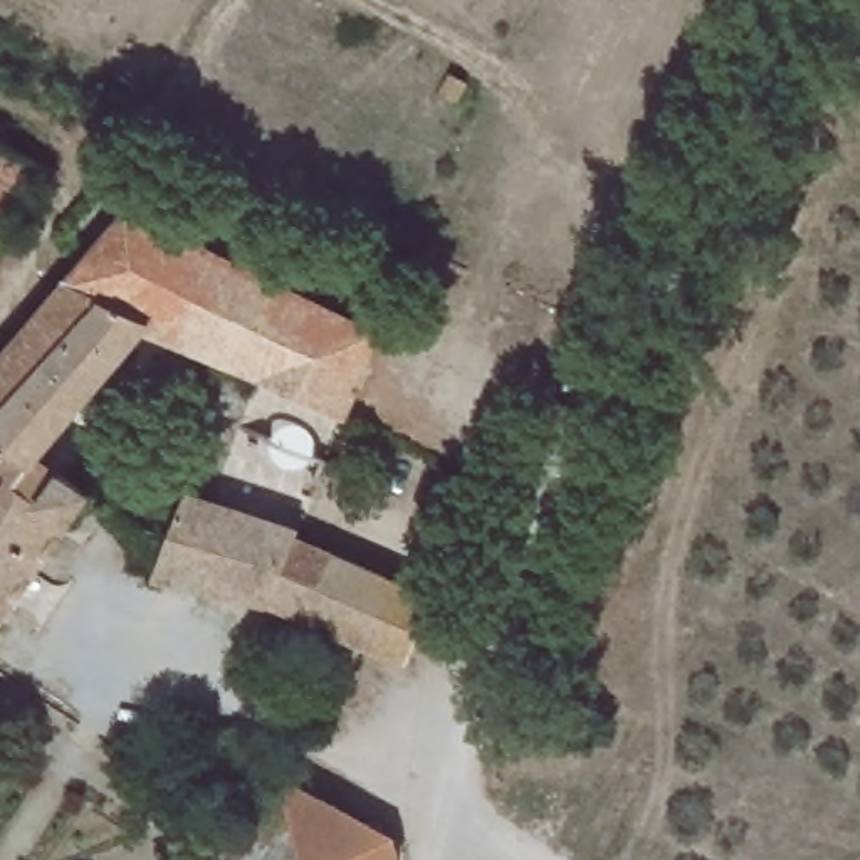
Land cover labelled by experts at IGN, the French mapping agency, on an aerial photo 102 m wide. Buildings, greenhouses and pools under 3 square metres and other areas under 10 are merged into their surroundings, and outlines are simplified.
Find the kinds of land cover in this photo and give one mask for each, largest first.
<instances>
[{"label":"deciduous trees","instance_id":"1","mask_svg":"<svg viewBox=\"0 0 860 860\"><path fill-rule=\"evenodd\" d=\"M645 111L632 124L625 161L611 165L598 155L585 158V168L591 175V212L585 215V225L574 239V265L558 299L554 336L548 343L514 346L497 359L490 380L484 383L474 403L470 423L460 430V437L447 440L443 450H433L406 433H396L390 423L376 417L373 406L356 403L346 423L336 430V437L329 443H319L312 454L326 464L329 497L353 521H366L386 507L390 487L406 477L400 454L423 460L417 511L406 527V548L396 554L400 571L393 574V581L400 585V595L410 605V638L430 658L447 665V675L454 682V709L457 719L467 726V742L477 749L480 766L517 763L531 756H585L615 739L618 705L598 675V665L608 652V642L598 635V618L605 611L608 578L618 574L625 548L642 541L645 524L658 504L655 497L662 480L675 474L682 454V420L689 413L692 396H716L722 406L732 403L729 390L719 383L709 363V353L716 346L739 343L746 323L753 319L749 312L759 306V299H773L786 289V265L800 252L796 235L810 228V208L803 205L806 188L816 175H823L833 165V155L840 151L836 138L860 121V0H702V10L682 27L669 60L662 67H648L642 77ZM380 24L376 17L346 10L336 27V40L343 47L376 40ZM101 64L91 54L71 50L60 40H44L27 24L0 17V111L13 114L34 138H40L60 155V175L54 178L40 165L0 148V158H7L20 171L13 188L0 198V262L24 259L37 245L44 218L54 222L57 245V262L0 323V353L17 339V333L34 319V312L81 265V259L111 225H131L148 232V239L165 255H181L191 249L212 252L225 259L232 269L252 272L265 296H299L349 319L353 329L363 339H370L376 353L396 356L430 349L440 329L447 326V289H440L437 269L430 265L427 272H417L406 262L390 259L383 232L363 215V208H356V202L349 208L326 212L319 205L286 198H255L242 171L232 168L228 151L212 144L195 124H188L181 108L131 101L111 77L97 71ZM487 94L480 81L470 74L464 84L460 101V114L474 118ZM836 239H850L860 228V212L850 205H836L830 212ZM850 279L836 269H820V299L826 306H843ZM847 346L843 336H820L813 339V366L823 373L840 370ZM239 393L249 400L255 393L252 383L242 376L218 373L181 353L161 349L155 343H138L128 353V359L108 376V383L94 393V400L84 410V423H71L44 454V470L84 497V507L71 521V531H81L84 521L97 517V524L118 541L124 554V571L141 581L151 578L158 564L161 544L178 517L181 501L198 497V487L205 480L222 474V460L228 454L225 430L232 427L222 396ZM800 383L789 366H769L759 380V400L769 413L776 406H789ZM806 430H826L833 423V406L826 396H820L806 403ZM753 470L759 480H773L776 474H783L789 460L783 443L769 437L753 440L749 447ZM803 487L810 494H823L830 487V464L820 460L803 464ZM779 524V504L773 497H759L746 504V534L753 541L773 538ZM823 551V527L796 531L789 544L793 558L810 561ZM685 571L699 578H726L729 544L716 534H695L689 544ZM820 598V595L806 588L789 601V615L796 621H810L816 618ZM363 658L339 645L336 628L316 615L279 618L269 611H249L232 628V642L222 665L228 689L239 695V712H222L218 695L198 675H155L144 685V692L128 702L131 719L111 722V729L101 736L108 756V783L91 789L87 783L71 779L64 786L60 806L20 860H242L259 836V800L272 796L286 803V793L302 789L319 769V763H312L309 753L326 749L333 742V736L339 732L343 709L356 692V672ZM860 638V621L847 615L836 618L833 642L840 648H853ZM776 672L783 685H803L813 675V658L803 645H793L786 658H779ZM54 739V726L47 719V699L40 692V682L34 675H0V836L20 813L24 800L44 783L47 742ZM823 702L833 719H847L857 702V685L847 682L843 672H836L826 682ZM722 712L732 722H753V716L759 712V695L732 689ZM810 739V722L803 716H786L773 722L776 753H793ZM722 746L719 729L699 719H682L675 736V763L685 769L705 766ZM816 763L826 773L843 776L850 763V746L830 736L816 749ZM669 826L682 840L705 836L719 843V850L732 853L736 847H742L749 823L742 816L719 820L712 810V789L682 786L669 796Z\"/></svg>","mask_w":860,"mask_h":860},{"label":"herbaceous vegetation","instance_id":"2","mask_svg":"<svg viewBox=\"0 0 860 860\"><path fill-rule=\"evenodd\" d=\"M222 0H0V17L27 24L44 40H60L71 50L91 54L101 64L97 71L111 77L131 101L181 108L188 124H195L212 144L228 151L232 168L242 171L255 198H286L319 205L326 212L349 208L356 202V208H363V215L383 232L390 259L406 262L417 272H427L430 265L437 269L440 289H447V316L467 299L474 302L477 326L487 316L504 319V329L490 336V353L497 359L514 346L548 343L554 336L558 299L574 265V239L585 225V215L591 212V175L585 168V158L598 155L611 165L625 161L632 124L645 111L642 77L648 67H662L669 60L682 27L702 10V0H386L517 64L531 77V91L494 84L487 94L474 118L460 114V101L450 104L443 97V87L450 77L464 84L470 74L437 47L423 44L417 34L380 24L376 40L343 47L336 40V27L346 10L339 0H249L222 50H215L198 67L191 60V50L212 10ZM840 151L833 155V165L823 175H816L806 188L803 205L810 208V228L796 235L800 252L786 265V289L773 299H759V306L749 312L753 319L746 323L739 343L716 346L709 353V363L719 383L729 390L732 403L722 406L716 396H692L689 413L682 420V454L675 474L662 480L655 497L658 504L645 524L642 541L625 548L618 574L608 578L605 611L598 618V635L608 642V652L598 665V675L618 705L615 739L585 756H531L517 763L480 766L484 793L497 806V813L507 816L514 826L527 830L534 840L548 843L551 850L568 853L571 860H611L625 850L632 830L655 840L669 826V796L682 786L712 789V810L726 800H739L742 783L756 776H769L773 783L786 786L806 783V776L813 773L816 779H823V786H836L847 796L860 789V638L853 648H840L833 642L836 618L847 615L836 601L820 598L816 618L810 621H796L789 615V601L806 588L820 595L826 591V585L810 561L793 558L789 544L773 538L753 541L746 534V504L759 497V480L753 470L749 447L739 440V417L759 400V380L769 366H789L800 383L813 386L820 396H826L840 383L860 380V228L850 239H836L830 212L836 205H850L860 212V121L836 138ZM820 269H836L850 279L843 306H826L820 299ZM820 336H843L847 346L840 370L823 373L813 366V339ZM695 534H716L729 544L726 578H699L685 571L689 544ZM793 645H803L813 658V675L803 685H783L776 672L779 658H786ZM836 672H843L847 682L857 685V702L847 719H833L823 702L826 682ZM732 689L759 695V712L753 716V722H732L722 712ZM786 716H803L810 722V739L793 753H776L773 722ZM682 719H699L719 729L722 746L705 766L685 769L675 763V736ZM830 736L850 746V763L843 776L826 773L816 763V749Z\"/></svg>","mask_w":860,"mask_h":860},{"label":"building","instance_id":"3","mask_svg":"<svg viewBox=\"0 0 860 860\"><path fill-rule=\"evenodd\" d=\"M464 84L450 77L443 87V97L450 104L460 101ZM0 148L40 165L54 178L60 175V155L40 138H34L13 114L0 111ZM20 171L7 158H0V198L13 188ZM138 343H155L161 349L181 353L218 373L242 376L252 383L255 393L249 400L239 393L222 396L232 427L225 430L228 454L222 460V474L279 490L292 497L309 517H319L346 534L383 544L396 554L406 548V527L417 511L423 460L400 454L406 477L390 487L386 507L366 521H353L329 497L326 464L312 454L319 443H329L336 437V430L346 423L356 403L353 390L370 373V356L376 353L370 339H363L353 329L349 319L299 296H265L252 272L232 269L225 259L212 252L191 249L181 255H165L148 239V232L131 225H111L81 259V265L34 312V319L17 333V339L0 353V628L20 615L7 601L24 595L27 585H67L64 574H50L47 568L57 561V551L64 548L71 531V521L84 507V497L44 470V454L71 423H84V410L94 400V393L108 383V376L128 359V353ZM141 588L148 591L218 595L239 601L249 611H269L279 618L316 615L336 628L339 645L363 658L356 672V692L343 709L356 722H366L373 716V702L383 699L386 685L406 689L430 658L410 638V605L400 595V585L393 581L366 568H356L316 544L299 541L296 531L282 524L228 511L198 497L181 501L178 517L161 544L158 564L151 578L141 581ZM242 860H410L406 843L393 847L390 836L376 833L373 826L353 820L349 813L302 789L286 793V803L272 796L259 800V836Z\"/></svg>","mask_w":860,"mask_h":860},{"label":"pervious surface","instance_id":"4","mask_svg":"<svg viewBox=\"0 0 860 860\"><path fill-rule=\"evenodd\" d=\"M249 0H222L212 10L191 50V60L198 67L215 50H222ZM346 10L376 17L380 24L417 34L423 44L437 47L470 74L480 81L487 94L494 84L531 91V77L517 64L386 0H339ZM57 262V245L54 222L44 218L37 245L24 259L0 262V323ZM504 329V319L487 316L477 326L474 302L467 299L447 316V326L440 329L430 349L396 356L376 353L370 356V373L353 390L356 403L373 406L376 417L390 423L396 433H406L433 450H443L447 440L460 437V430L470 423L474 403L484 383L490 380L497 359L490 353V336ZM228 511L282 524L296 531L299 541L316 544L356 568H366L393 581V574L400 571L396 554L383 544L346 534L319 517H309L292 497L279 490L222 474L205 480L198 487V497ZM312 763H319V769L302 789L349 813L353 820L373 826L376 833L390 836L393 847L406 843L410 860H571L568 853L551 850L548 843L534 840L527 830L514 826L507 816L497 813V806L484 793L480 766L477 749L467 742V726L457 719L454 709V682L447 675V665L430 658L406 689L386 685L383 699L373 702V716L366 722H356L343 709L339 732L333 736V742L326 749L309 753Z\"/></svg>","mask_w":860,"mask_h":860},{"label":"impervious surface","instance_id":"5","mask_svg":"<svg viewBox=\"0 0 860 860\"><path fill-rule=\"evenodd\" d=\"M50 574H64L67 585H27L24 595L7 601L20 615L0 628V675H34L40 682V692L47 699V719L54 726V739L47 742L44 783L24 800L20 813L0 836V860H20L60 806L64 786L71 779L87 783L91 789L108 783V756L101 736L111 729V722L131 719L128 702L144 692V685L155 675H198L218 695L222 712H239V695L228 689L222 665L232 642V628L249 611L239 601L218 595L148 591L141 588V581L124 571V554L118 541L97 524V517L84 521L81 531H71L64 548L57 551V561L47 568Z\"/></svg>","mask_w":860,"mask_h":860},{"label":"plowed land","instance_id":"6","mask_svg":"<svg viewBox=\"0 0 860 860\"><path fill-rule=\"evenodd\" d=\"M820 396L813 386L800 383L789 406H776L769 413L759 400L739 417V440L749 447L753 440L769 437L783 443L789 460L783 474H776L773 480H759V497H773L779 504V524L773 538L789 544L796 531L823 527V551L810 561L826 585V591L820 595V598L836 601L847 615L860 621V380L840 383L826 396L833 406V423L826 430H806V403ZM820 460L830 464V487L823 494H810L803 487V464ZM719 820L742 816L749 823L742 847H736L732 853L719 850V843L705 836L682 840L669 826L655 840L632 830L625 850L611 860H860V789L847 796L836 786H823V779H816L813 773L806 776V783L786 786L773 783L769 776H756L742 783L739 800H726L712 810Z\"/></svg>","mask_w":860,"mask_h":860}]
</instances>
